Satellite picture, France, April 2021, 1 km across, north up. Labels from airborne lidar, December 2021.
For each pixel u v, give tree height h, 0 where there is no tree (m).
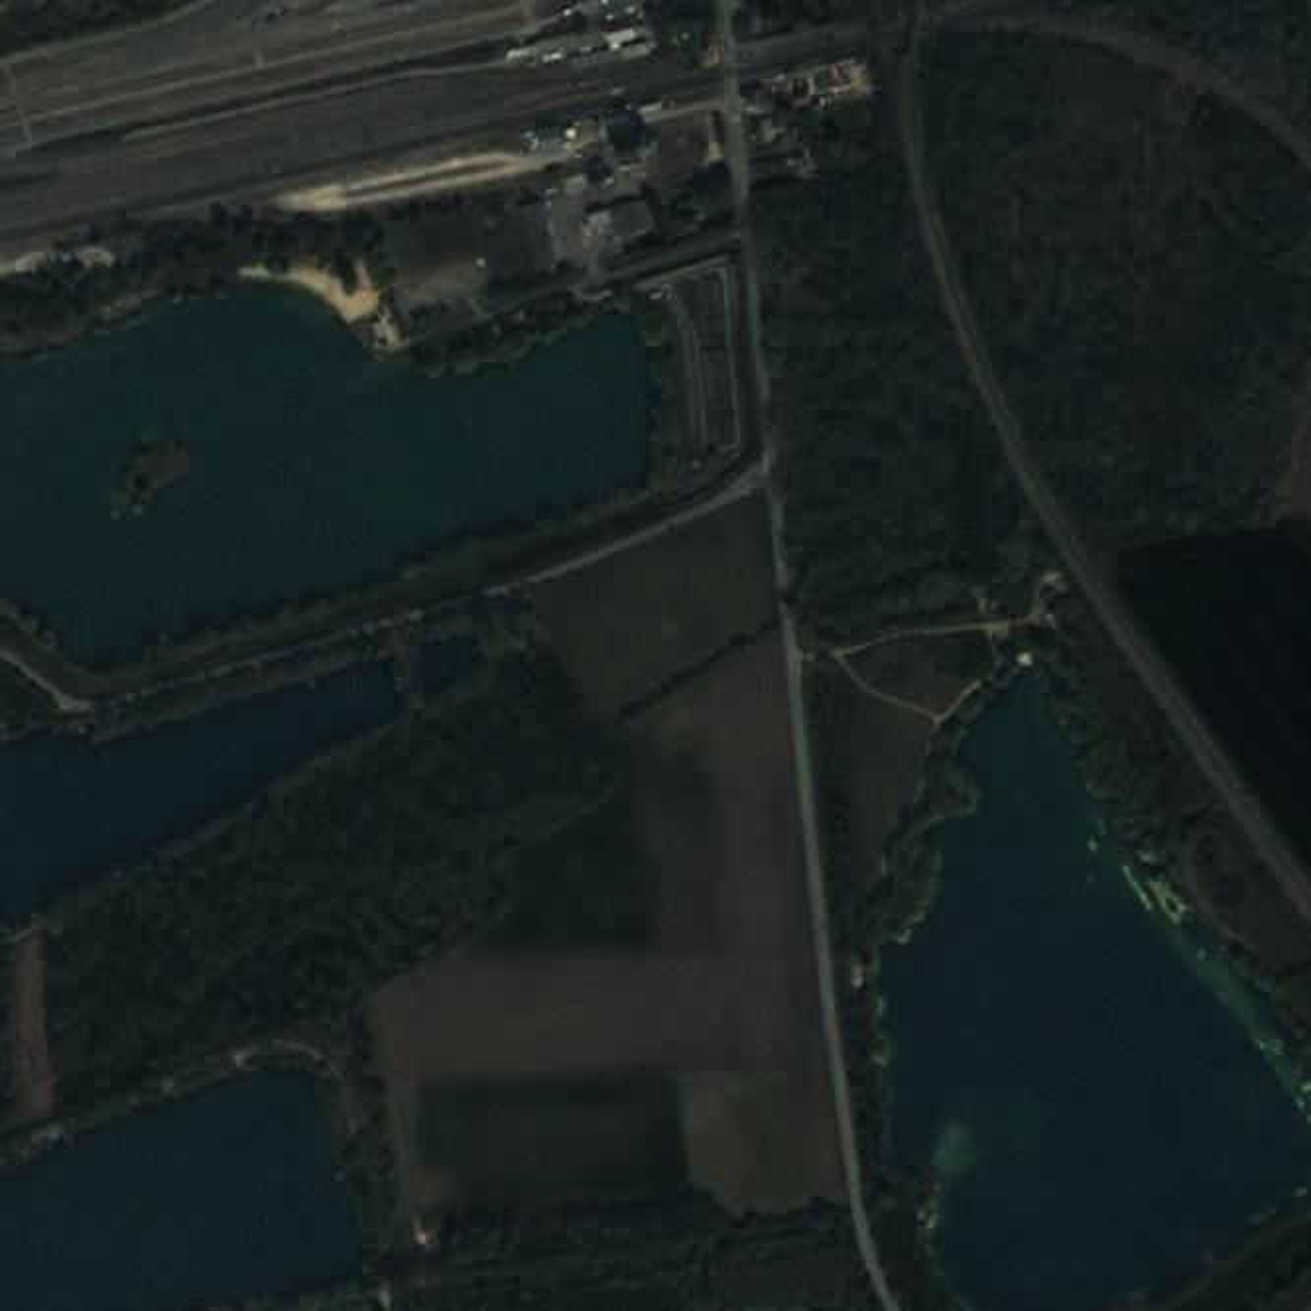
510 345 19
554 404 0
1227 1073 0
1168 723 6
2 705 6
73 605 0
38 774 0
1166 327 8
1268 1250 0
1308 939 10
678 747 0
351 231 13
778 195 8
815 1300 6
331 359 0
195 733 0
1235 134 10
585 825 0
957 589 12
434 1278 25
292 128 0
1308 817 0
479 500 0
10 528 0
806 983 0
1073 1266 0
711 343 0
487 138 0
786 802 0
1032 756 0
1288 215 26
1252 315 6
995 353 9
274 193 0
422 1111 0
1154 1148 0
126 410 0
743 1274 23
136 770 0
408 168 0
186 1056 22
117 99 0
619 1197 0
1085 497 20
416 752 15
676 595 0
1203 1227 0
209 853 10
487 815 26
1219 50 22
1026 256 16
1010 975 0
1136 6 10
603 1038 0
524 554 0
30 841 0
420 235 0
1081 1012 0
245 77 0
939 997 0
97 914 22
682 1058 0
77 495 0
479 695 10
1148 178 18
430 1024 0
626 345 0
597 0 0
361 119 0
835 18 21
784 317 17
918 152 0
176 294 10
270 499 0
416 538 0
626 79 0
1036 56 16
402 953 21
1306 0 0
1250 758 0
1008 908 0
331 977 19
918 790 0
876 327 6
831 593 10
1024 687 0
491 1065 0
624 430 0
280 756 0
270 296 0
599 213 0
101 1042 22
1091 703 18
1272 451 27
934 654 8
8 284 7
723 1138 0
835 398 8
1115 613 0
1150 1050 0
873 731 0
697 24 10
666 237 11
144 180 0
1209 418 9
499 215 0
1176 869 11
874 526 21
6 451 0
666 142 0
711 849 0
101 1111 11
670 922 0
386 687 0
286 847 28
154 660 13
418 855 24
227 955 25
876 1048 11
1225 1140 0
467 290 0
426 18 0
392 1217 21
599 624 0
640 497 0
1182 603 0
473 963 0
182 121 0
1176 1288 9
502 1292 16
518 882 0
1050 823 0
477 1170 0
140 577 0
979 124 25
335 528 0
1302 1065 0
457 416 0
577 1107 0
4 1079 20
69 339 0
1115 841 0
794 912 0
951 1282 0
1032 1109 0
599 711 0
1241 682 0
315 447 0
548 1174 0
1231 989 0
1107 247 16
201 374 0
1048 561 17
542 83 0
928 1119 0
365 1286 9
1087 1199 0
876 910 11
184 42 0
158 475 0
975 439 21
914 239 20
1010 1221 0
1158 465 6
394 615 0
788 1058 0
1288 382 27
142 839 0
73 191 0
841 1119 0
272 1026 22
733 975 0
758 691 0
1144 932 0
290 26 0
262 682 13
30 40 8
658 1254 18
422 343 0
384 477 0
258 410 0
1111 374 31
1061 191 7
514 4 0
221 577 0
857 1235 15
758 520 0
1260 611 0
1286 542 0
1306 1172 0
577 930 0
